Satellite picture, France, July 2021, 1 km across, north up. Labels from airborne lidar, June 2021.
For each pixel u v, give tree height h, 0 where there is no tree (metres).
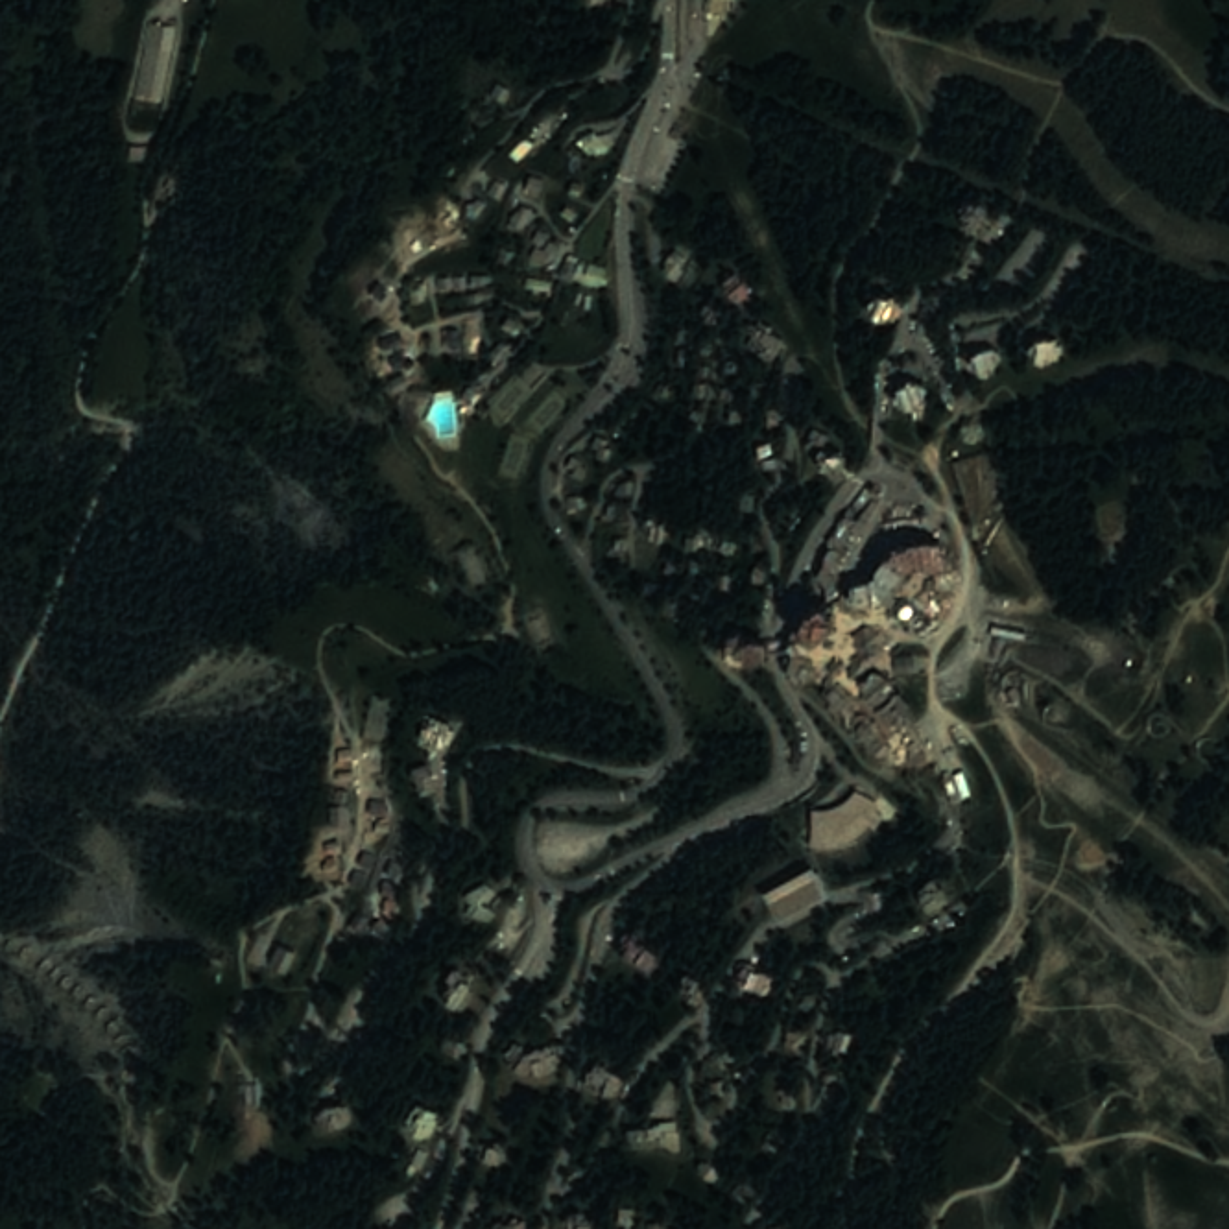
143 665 16
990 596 0
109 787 15
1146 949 0
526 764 19
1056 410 27
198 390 13
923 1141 9
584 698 22
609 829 0
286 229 21
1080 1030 0
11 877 12
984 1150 0
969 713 0
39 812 19
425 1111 0
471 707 26
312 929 0
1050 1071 0
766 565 15
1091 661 0
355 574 17
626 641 0
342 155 9
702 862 21
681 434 13
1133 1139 0
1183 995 0
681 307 16
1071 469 17
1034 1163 16
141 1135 0
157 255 18
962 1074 22
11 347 17
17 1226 0
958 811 0
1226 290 15
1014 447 11
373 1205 22
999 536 0
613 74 0
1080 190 18
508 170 0
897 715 0
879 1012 19
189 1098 8
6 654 11
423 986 23
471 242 0
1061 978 0
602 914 0
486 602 7
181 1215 8
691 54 0
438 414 0
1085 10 0
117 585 22
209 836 17
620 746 24
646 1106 25
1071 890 0
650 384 14
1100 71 17
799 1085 22
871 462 0
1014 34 14
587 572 0
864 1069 18
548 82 7
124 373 0
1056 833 0
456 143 12
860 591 0
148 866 10
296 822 23
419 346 0
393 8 18
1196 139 28
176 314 14
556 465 8
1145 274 22
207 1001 0
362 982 0
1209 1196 0
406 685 14
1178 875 0
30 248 18
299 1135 12
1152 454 27
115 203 13
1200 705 0
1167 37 0
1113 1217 0
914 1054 24
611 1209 24
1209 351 21
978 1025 16
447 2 13
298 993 0
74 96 18
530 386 0
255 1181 22
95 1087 19
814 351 0
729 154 0
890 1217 26
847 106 14
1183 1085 0
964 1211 0
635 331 0
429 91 18
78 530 24
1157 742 0
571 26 22
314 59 0
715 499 23
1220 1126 0
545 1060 0
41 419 17
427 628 0
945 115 18
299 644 0
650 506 14
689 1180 0
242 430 13
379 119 11
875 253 18
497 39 17
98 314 11
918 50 0
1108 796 0
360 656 0
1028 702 0
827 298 20
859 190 23
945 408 19
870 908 0
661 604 21
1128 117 24
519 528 0
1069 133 0
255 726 8
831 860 0
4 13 12
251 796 14
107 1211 18
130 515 22
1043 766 0
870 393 6
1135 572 28
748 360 21
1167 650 0
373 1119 17
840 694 0
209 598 15
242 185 17
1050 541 8
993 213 13
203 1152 0
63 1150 20
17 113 12
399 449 0
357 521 9
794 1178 21
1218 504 22
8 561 14
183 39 0
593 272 0
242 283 14
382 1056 32
